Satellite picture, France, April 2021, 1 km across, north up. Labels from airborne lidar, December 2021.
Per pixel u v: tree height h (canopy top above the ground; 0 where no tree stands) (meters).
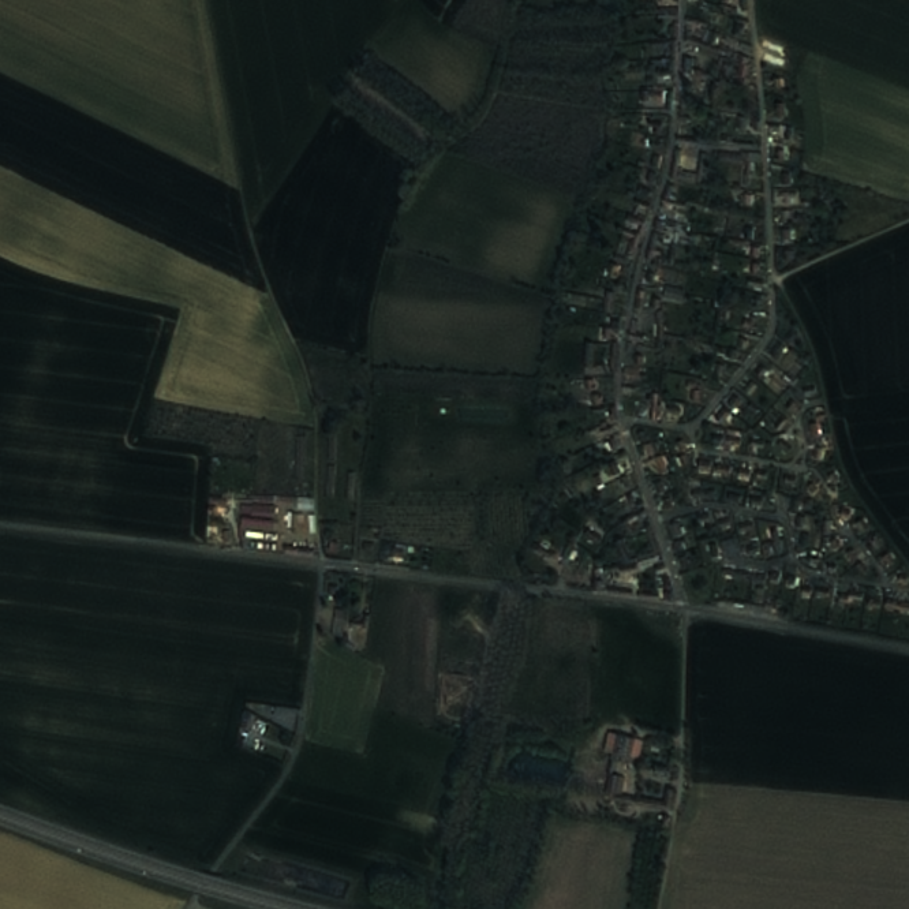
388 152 0
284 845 0
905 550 0
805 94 0
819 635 0
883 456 0
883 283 0
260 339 0
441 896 19
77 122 0
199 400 0
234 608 0
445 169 0
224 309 0
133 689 0
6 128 0
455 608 0
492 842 19
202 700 0
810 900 0
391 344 0
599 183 13
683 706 0
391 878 23
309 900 0
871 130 0
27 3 0
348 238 0
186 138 0
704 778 0
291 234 0
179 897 0
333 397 0
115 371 0
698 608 0
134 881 0
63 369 0
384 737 0
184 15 0
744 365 0
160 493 0
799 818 0
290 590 0
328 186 0
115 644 0
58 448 0
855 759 0
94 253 0
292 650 0
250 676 0
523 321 0
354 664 0
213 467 11
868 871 0
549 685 0
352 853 0
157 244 0
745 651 0
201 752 0
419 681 0
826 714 0
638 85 0
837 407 0
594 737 0
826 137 0
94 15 0
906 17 0
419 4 0
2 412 0
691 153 0
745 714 0
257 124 0
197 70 0
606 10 10
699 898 0
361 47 0
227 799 0
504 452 0
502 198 0
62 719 0
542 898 0
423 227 0
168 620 0
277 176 0
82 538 0
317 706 0
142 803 0
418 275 0
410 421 0
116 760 0
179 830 0
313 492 0
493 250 0
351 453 0
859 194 0
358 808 0
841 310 0
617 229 10
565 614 0
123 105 0
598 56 6
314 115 0
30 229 0
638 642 0
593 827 0
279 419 0
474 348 0
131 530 0
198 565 0
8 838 0
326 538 7
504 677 29
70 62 0
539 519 17
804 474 0
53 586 0
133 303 0
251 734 0
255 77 0
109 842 0
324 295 0
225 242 0
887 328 0
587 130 0
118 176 0
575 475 10
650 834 7
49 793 0
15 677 0
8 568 0
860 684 0
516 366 0
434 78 0
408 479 0
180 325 0
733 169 0
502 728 27
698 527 15
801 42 0
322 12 0
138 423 0
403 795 0
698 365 11
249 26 0
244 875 0
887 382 0
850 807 0
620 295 0
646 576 0
